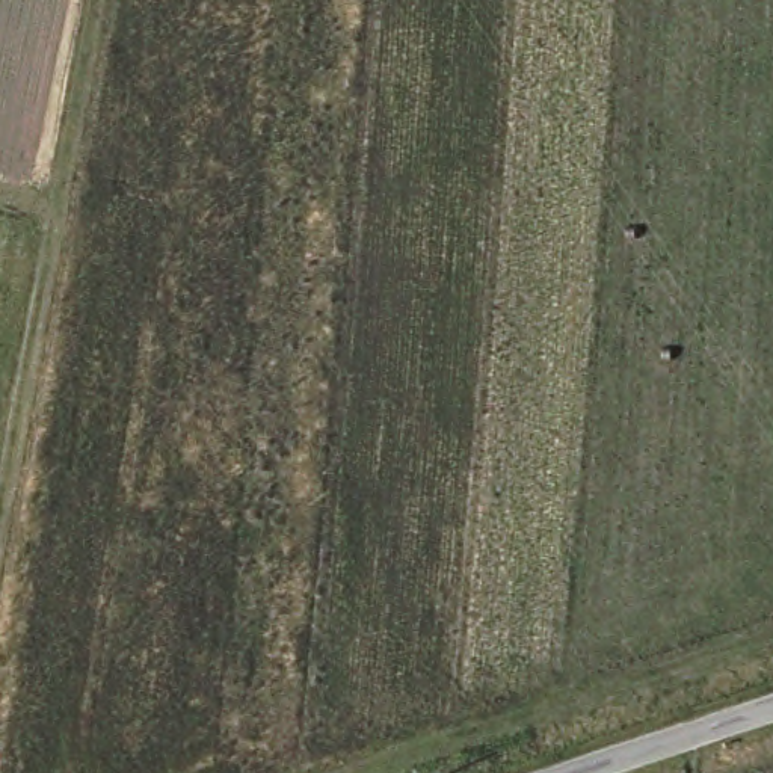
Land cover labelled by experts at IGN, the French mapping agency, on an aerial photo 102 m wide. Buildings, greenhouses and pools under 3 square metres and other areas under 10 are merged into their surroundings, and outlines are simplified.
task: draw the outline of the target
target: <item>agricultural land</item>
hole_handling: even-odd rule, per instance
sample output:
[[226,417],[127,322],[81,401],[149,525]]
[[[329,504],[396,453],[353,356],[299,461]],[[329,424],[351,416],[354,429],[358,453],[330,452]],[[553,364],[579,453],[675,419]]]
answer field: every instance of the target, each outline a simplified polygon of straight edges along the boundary
[[679,722],[701,719],[734,704],[773,694],[773,0],[0,0],[0,773],[287,773],[299,761],[359,749],[374,752],[387,743],[411,740],[429,728],[453,728],[453,737],[462,737],[465,746],[486,746],[498,737],[534,728],[544,746],[562,746],[580,737],[589,752]]
[[773,725],[728,740],[716,740],[694,752],[682,752],[628,773],[773,773]]

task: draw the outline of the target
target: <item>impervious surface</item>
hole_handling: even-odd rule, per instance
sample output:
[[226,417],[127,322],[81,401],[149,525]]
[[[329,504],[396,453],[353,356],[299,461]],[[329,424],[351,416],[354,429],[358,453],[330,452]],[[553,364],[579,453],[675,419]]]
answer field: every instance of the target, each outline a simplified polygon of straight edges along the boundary
[[716,740],[728,740],[773,725],[773,694],[734,704],[701,719],[679,722],[589,752],[534,773],[628,773],[682,752],[694,752]]

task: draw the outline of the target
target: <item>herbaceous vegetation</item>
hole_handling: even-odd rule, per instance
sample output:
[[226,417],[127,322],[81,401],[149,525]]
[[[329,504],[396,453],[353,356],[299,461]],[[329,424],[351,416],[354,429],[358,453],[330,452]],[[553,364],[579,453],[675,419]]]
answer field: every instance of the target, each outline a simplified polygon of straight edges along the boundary
[[387,743],[374,752],[359,749],[299,761],[287,773],[534,773],[589,752],[580,737],[562,746],[544,746],[534,728],[498,737],[486,746],[465,746],[462,737],[453,737],[453,728],[429,728],[411,740]]

